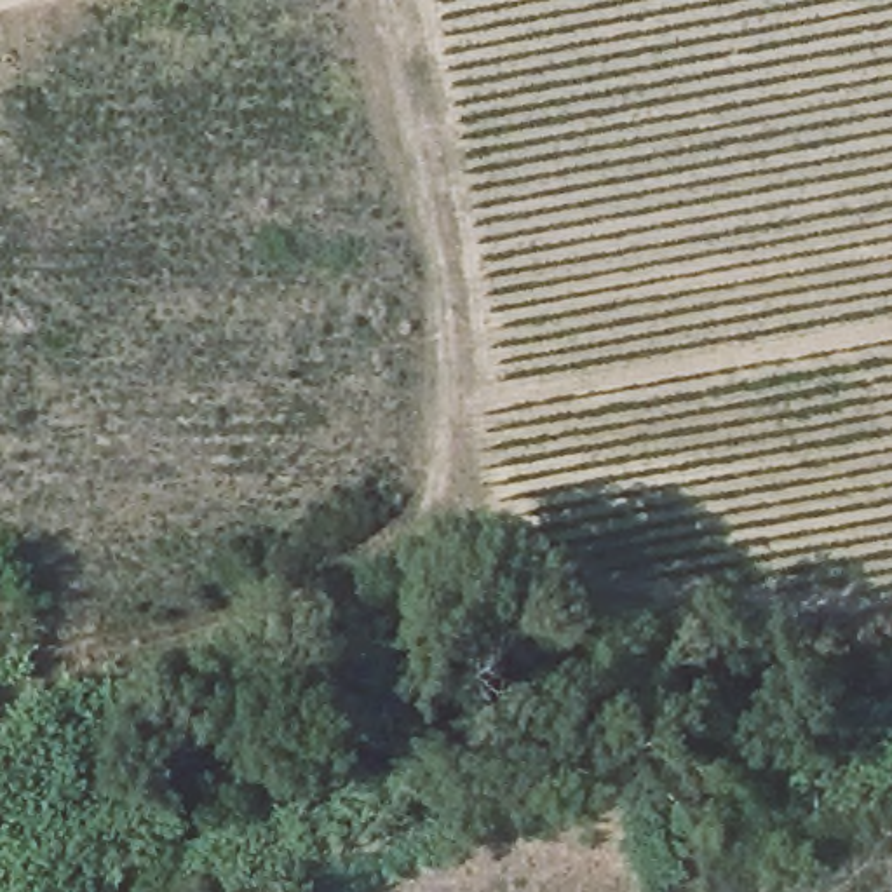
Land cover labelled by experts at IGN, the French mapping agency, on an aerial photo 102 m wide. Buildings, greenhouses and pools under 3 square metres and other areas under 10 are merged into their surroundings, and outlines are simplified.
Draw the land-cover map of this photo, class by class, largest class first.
<instances>
[{"label":"vineyard","instance_id":"1","mask_svg":"<svg viewBox=\"0 0 892 892\"><path fill-rule=\"evenodd\" d=\"M422 10L432 77L439 84L446 108L443 115L449 143L453 150L467 153L463 174L498 171L495 181L474 185L481 206L474 213H463L456 223L463 244L474 359L484 376L505 373V380L498 387H477L467 397L470 418H453L449 425L453 470L446 498L432 516V530L439 533L488 530L498 540H516L526 551H537L547 564L582 582L592 613L652 606L683 610L693 599V578H711L714 596H725L732 603L728 610L739 620H760L763 613L770 617V610L777 606H791L798 613V624L791 631L798 634L801 655L815 666H840L843 693L836 700L843 707H854V714L864 718L878 700H892V0H415Z\"/></svg>","mask_w":892,"mask_h":892},{"label":"deciduous trees","instance_id":"2","mask_svg":"<svg viewBox=\"0 0 892 892\"><path fill-rule=\"evenodd\" d=\"M401 516L397 505L380 495L376 481L366 477L359 488L338 484L324 502H314L310 512L289 530L258 526L244 537L220 533V544L213 547V558L202 575L209 582L202 585V599L209 610L220 613L213 617V624L188 631V645L174 648L167 659L160 652H150L136 638L105 645L94 624L63 627L66 603L91 599V589L70 585L84 564L77 551H66V530L38 533L35 540L24 537L17 547H10L0 533V627L21 631V641L35 648V686L17 693L14 686L0 683V892H394L422 868H456L470 861L481 847H488L491 857H505L516 840H558L568 826L578 829L582 847H603L606 833L599 829V815L610 812L624 815V857L631 864L620 871V878L631 892H826L833 885L836 868L819 864L812 857V847L822 836L850 840V861L885 857V868H892V700H878L864 718L854 714V707H843L836 700L843 693L840 666H815L801 655L798 634L791 631L798 624V613L791 606H777L770 610V617L763 613L760 620H739L728 610L732 603L725 596H714L711 578H693V599L683 610L652 606L592 613L582 582L547 564L537 551H526L516 540H498L488 530L439 533L418 551L397 547L369 561L359 547Z\"/></svg>","mask_w":892,"mask_h":892},{"label":"herbaceous vegetation","instance_id":"3","mask_svg":"<svg viewBox=\"0 0 892 892\"><path fill-rule=\"evenodd\" d=\"M418 192L415 160L404 146L394 108L387 45L376 35V0H0V533L10 547H17L24 537L35 540L38 533L66 530V551H77L84 564L70 585L91 589V599L66 603L63 627L94 624L105 645L136 638L150 652H160L167 659L174 648L188 645V631L213 624V617L220 613L209 610L202 599V585L209 582L202 575L213 558V547L220 544V533L244 537L258 526L289 530L310 512L314 502H324L338 484L359 488L366 477L376 481L380 495L397 505L401 516L418 502L432 460L425 411L436 408V345L425 328V251L411 226ZM35 648L21 641V631L0 627V683L14 686L17 693L35 686ZM599 829L606 833L603 847H582L578 829L568 826L558 840H516L505 857H491L488 847H481L470 861L456 868H422L394 892H631L620 878V871L631 864L624 857V815L610 812L599 815ZM812 857L819 864L836 868L833 885L826 892H892V868H885V857L850 861V840L822 836L812 847Z\"/></svg>","mask_w":892,"mask_h":892},{"label":"pervious surface","instance_id":"4","mask_svg":"<svg viewBox=\"0 0 892 892\"><path fill-rule=\"evenodd\" d=\"M376 35L387 45L394 108L404 146L415 160L418 192L411 226L425 251V328L436 345V408L425 411L432 460L418 502L401 516L359 547L369 561L397 547L418 551L439 533L432 530V516L446 498L453 470L449 425L453 418H470L467 397L477 387H498L505 380V373L484 376L474 359L463 244L456 223L463 213H474L481 206L474 185L495 181L498 171L463 174L467 153L453 150L449 143L443 115L446 108L439 84L432 77L422 10L415 0H376Z\"/></svg>","mask_w":892,"mask_h":892}]
</instances>
